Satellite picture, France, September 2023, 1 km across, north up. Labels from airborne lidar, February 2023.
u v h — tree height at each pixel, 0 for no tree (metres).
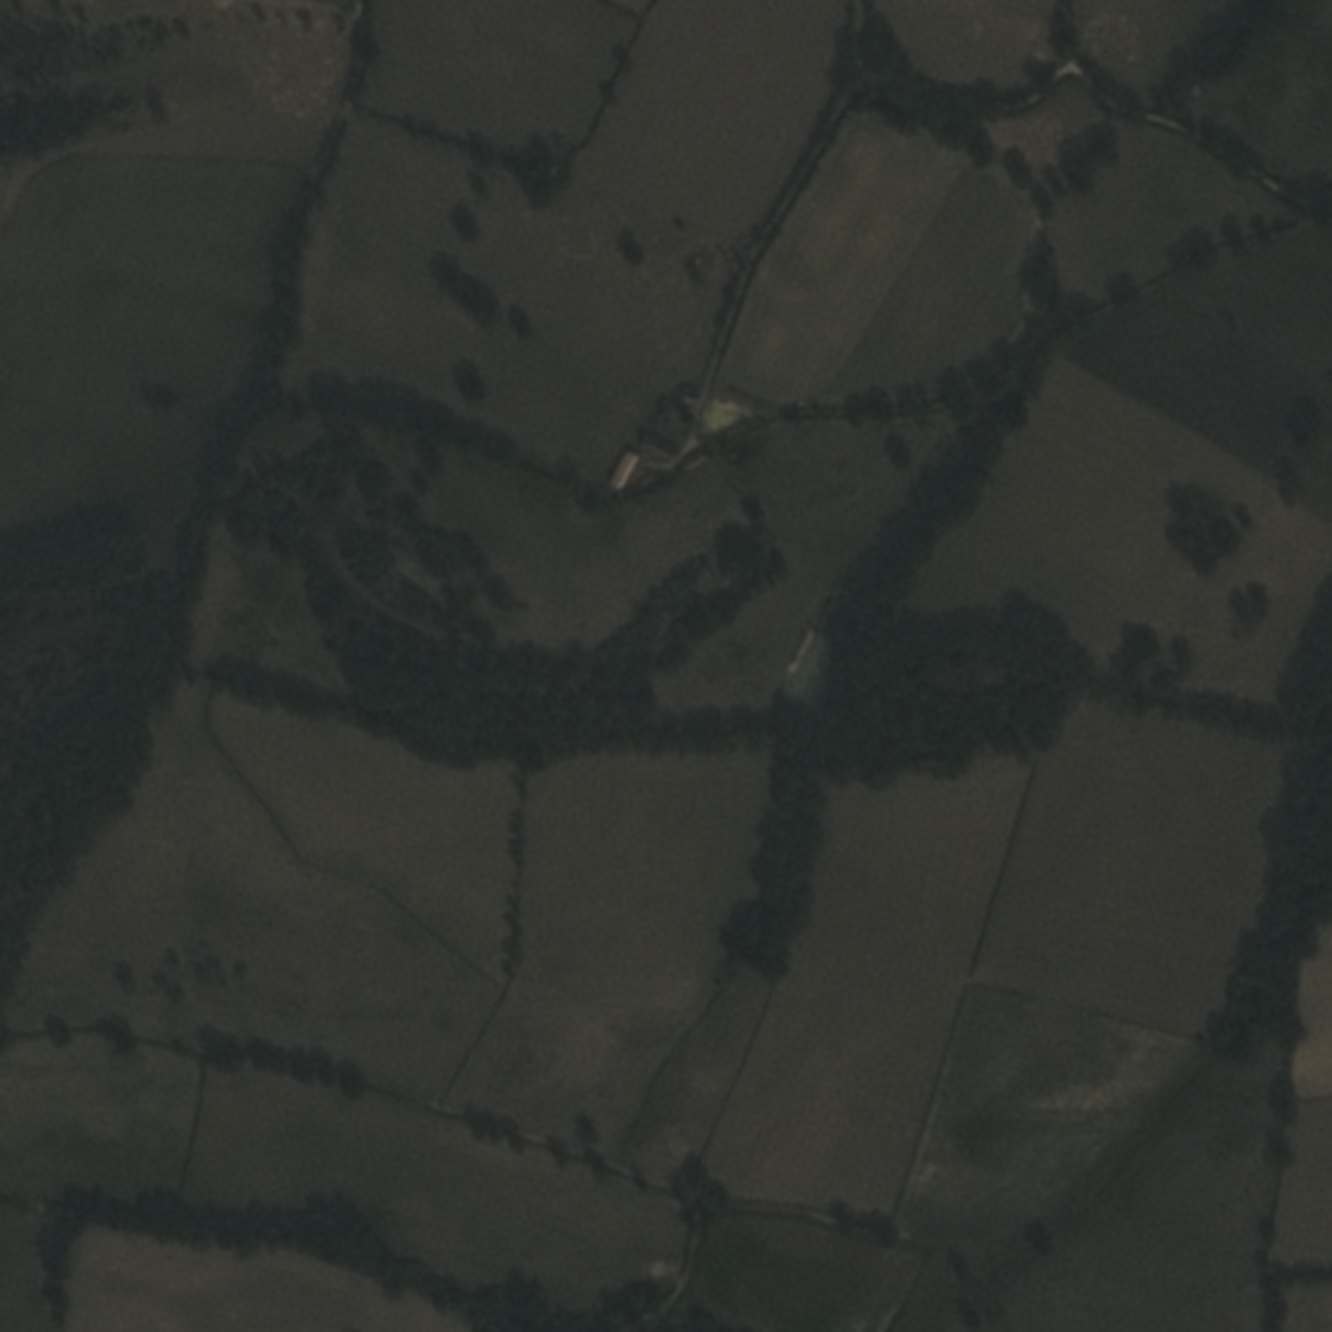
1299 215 18
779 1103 0
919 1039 0
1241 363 0
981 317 0
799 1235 0
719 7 0
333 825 0
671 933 0
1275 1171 0
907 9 0
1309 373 0
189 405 0
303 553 14
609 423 0
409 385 0
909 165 0
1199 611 0
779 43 0
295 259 16
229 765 0
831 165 0
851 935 0
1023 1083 0
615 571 0
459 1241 0
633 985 0
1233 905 0
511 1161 0
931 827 0
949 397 18
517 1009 0
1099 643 0
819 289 0
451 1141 0
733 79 0
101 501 0
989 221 0
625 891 0
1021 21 0
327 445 7
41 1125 0
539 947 0
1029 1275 0
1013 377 19
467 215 14
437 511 0
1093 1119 0
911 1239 0
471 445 14
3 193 0
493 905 0
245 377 0
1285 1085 12
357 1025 0
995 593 0
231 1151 0
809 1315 0
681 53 0
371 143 0
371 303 0
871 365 0
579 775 0
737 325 0
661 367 0
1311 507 0
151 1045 0
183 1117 0
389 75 0
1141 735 0
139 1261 0
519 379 0
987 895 0
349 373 0
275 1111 0
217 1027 0
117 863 0
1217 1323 0
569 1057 0
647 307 0
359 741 0
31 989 0
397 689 24
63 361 0
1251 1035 12
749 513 12
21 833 20
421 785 0
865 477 0
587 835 0
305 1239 18
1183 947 0
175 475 0
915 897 0
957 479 21
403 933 0
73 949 0
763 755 0
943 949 0
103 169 0
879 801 0
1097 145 17
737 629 0
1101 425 0
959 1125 0
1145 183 0
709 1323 8
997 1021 0
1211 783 0
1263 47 0
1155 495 0
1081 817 0
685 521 0
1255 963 19
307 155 0
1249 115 0
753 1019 0
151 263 0
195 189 0
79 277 0
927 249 0
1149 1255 0
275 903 0
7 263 0
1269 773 0
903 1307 0
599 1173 14
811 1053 0
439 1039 0
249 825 0
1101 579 0
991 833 0
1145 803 0
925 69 0
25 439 0
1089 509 0
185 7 0
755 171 0
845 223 0
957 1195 0
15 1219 0
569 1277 0
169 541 0
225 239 0
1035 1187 0
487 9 0
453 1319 0
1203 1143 0
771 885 22
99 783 16
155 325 0
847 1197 0
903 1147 0
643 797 0
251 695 20
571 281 0
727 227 0
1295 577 0
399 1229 0
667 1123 0
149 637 20
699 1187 13
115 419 0
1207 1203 0
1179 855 0
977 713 17
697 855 0
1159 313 0
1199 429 0
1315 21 0
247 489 13
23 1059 0
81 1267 0
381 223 0
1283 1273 12
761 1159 0
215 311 0
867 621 24
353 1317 0
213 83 0
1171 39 0
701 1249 0
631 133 0
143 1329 0
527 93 0
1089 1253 0
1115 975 0
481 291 13
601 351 0
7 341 0
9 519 0
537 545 0
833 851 0
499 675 18
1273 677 0
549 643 0
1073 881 0
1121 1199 0
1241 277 0
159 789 0
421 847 0
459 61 0
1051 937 0
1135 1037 0
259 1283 0
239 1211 0
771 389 0
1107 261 0
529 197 16
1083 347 0
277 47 0
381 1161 0
